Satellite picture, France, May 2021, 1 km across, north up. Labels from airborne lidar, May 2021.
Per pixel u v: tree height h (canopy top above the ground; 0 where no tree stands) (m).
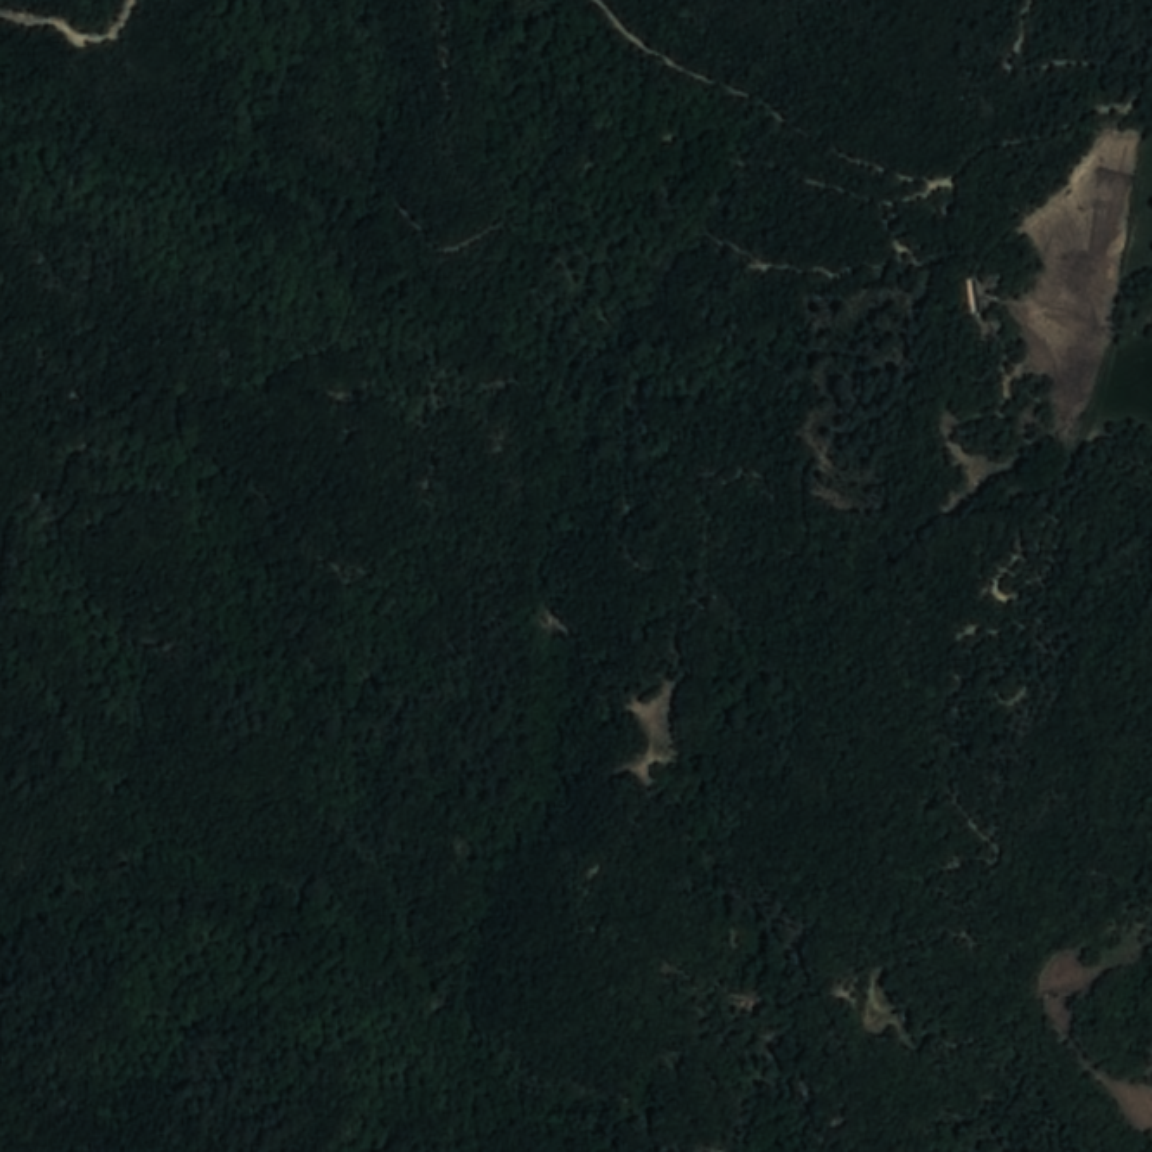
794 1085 18
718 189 12
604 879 9
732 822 23
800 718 15
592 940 9
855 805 7
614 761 21
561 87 19
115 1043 13
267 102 15
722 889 22
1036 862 8
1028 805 8
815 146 13
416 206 15
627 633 22
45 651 15
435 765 16
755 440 8
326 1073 16
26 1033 18
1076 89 7
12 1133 14
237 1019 19
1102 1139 13
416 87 8
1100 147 0
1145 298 12
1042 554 11
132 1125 14
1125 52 19
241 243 13
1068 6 8
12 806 14
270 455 16
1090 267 0
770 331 15
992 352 9
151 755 15
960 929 14
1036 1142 13
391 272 25
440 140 7
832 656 15
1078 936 17
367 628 23
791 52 12
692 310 13
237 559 20
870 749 15
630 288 15
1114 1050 15
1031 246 11
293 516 16
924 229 13
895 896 18
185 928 18
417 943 14
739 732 22
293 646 21
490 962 13
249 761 16
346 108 8
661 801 17
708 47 10
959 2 6
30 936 18
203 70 13
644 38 8
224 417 11
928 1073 17
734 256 20
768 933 18
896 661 9
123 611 17
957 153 11
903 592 17
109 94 8
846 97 12
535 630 29
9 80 26
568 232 15
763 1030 19
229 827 17
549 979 14
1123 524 16
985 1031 16
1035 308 0
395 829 12
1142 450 10
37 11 9
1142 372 0
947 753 18
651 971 16
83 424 20
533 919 16
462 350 12
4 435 16
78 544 16
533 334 19
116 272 12
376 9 24
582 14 16
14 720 12
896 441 13
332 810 21
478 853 18
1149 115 14
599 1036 8
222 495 22
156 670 16
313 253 13
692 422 7
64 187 16
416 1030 18
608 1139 23
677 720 16
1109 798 12
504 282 18
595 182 15
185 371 19
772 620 21
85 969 30
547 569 20
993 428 14
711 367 17
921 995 18
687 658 12
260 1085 18
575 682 25
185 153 9
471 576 10
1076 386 0
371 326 12
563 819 15
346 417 17
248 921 19
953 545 13
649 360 12
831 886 9
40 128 14
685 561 14
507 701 26
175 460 23
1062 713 8
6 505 19
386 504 14
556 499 19
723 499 10
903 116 6
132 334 15
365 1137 18
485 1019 17
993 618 6
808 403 14
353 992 15
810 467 12
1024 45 8
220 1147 9
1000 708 7
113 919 22
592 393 13
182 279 7
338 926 20
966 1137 21
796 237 18
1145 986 14
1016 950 12
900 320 13
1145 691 11
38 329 13
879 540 15
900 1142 15
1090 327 0
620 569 13
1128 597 9
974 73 15
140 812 21
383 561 19
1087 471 8
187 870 29
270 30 18
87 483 17
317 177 22
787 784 13
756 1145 21
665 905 11
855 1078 13
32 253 11
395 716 11
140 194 11
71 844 13
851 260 9
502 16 12
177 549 16
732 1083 20
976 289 0
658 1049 18
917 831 22
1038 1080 17
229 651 18
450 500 16
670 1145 14
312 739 20
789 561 11
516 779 16
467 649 19
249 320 15
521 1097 20
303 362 14
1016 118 7
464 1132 19
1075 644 14
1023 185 10
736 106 15
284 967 26
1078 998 12
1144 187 0
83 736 21
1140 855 6
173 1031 23
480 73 18
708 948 19
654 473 16
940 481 11
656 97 14
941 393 15
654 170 16
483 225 11
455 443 9
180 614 20
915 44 6
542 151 11
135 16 10
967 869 14
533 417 15
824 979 16
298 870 19
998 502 14
